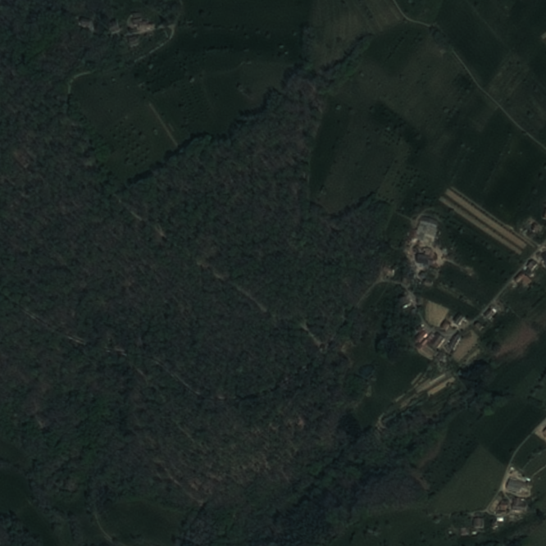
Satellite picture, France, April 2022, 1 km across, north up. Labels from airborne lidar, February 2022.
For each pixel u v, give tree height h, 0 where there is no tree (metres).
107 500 27
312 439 27
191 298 28
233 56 0
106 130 0
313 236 30
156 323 28
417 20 0
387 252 33
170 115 0
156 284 27
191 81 8
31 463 0
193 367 23
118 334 24
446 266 0
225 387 26
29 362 31
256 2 0
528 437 0
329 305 25
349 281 35
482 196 0
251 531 26
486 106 0
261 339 25
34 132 28
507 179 0
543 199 0
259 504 19
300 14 0
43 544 25
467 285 0
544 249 0
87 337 25
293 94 28
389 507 30
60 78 22
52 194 27
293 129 31
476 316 0
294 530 21
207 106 0
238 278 29
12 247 30
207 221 26
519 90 0
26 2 30
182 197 29
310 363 25
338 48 0
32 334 29
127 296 26
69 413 24
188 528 23
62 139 27
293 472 27
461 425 0
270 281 29
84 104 0
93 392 27
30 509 0
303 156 32
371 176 0
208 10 0
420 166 0
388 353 22
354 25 0
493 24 0
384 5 0
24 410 28
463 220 0
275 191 32
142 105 0
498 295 0
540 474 0
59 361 29
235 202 29
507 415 0
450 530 0
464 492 0
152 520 0
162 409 24
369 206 24
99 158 20
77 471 18
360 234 31
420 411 15
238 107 0
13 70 29
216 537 28
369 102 0
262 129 32
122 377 24
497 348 17
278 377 24
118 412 28
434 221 0
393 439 25
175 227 25
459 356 0
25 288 29
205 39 0
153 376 27
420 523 0
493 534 0
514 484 0
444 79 0
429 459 0
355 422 20
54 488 25
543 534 0
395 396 0
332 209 0
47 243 29
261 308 26
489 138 0
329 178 0
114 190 29
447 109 8
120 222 30
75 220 30
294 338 25
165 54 0
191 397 25
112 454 24
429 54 0
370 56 0
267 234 31
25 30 29
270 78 0
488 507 0
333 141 0
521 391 0
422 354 0
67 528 0
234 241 31
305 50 16
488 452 0
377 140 0
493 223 0
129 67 11
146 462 28
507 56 0
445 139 0
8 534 32
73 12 12
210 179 30
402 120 6
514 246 0
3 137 27
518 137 0
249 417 23
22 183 27
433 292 0
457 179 0
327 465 22
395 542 0
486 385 28
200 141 21
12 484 0
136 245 28
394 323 14
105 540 0
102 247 30
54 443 26
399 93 0
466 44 0
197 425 25
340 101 0
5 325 27
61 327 20
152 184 27
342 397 33
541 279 0
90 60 22
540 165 0
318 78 11
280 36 0
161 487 30
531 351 0
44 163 29
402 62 0
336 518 34
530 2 0
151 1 14
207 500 26
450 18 0
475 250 0
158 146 0
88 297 21
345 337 30
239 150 31
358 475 19
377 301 0
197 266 27
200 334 29
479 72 0
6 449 0
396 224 0
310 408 6
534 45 0
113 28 0
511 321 0
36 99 28
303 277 27
